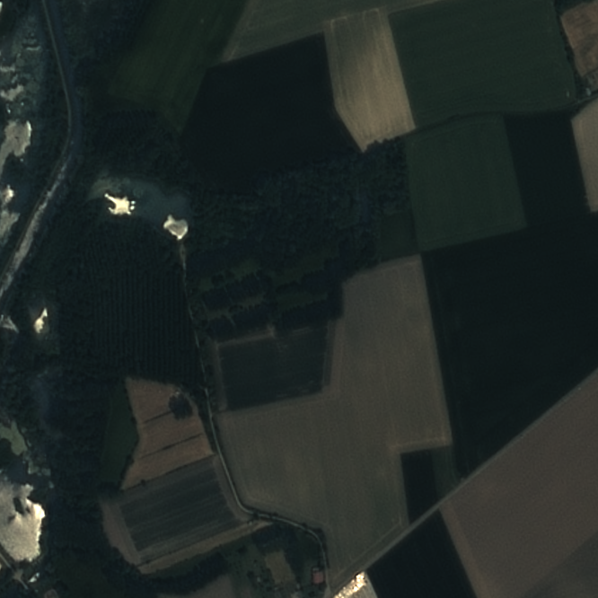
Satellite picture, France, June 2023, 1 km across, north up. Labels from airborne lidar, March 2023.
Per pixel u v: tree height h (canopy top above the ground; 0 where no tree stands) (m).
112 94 0
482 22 0
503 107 0
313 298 0
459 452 0
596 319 0
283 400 0
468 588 0
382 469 0
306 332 0
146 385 0
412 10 0
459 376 0
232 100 0
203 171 0
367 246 29
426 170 0
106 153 10
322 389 0
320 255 0
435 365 0
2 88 0
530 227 0
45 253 8
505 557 0
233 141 0
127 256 9
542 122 0
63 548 22
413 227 0
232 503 0
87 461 35
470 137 0
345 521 0
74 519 39
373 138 0
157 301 21
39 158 9
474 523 0
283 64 0
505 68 0
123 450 0
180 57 0
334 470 0
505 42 0
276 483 0
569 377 0
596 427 0
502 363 0
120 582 31
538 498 0
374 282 0
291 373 0
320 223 19
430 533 0
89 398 35
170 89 0
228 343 0
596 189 0
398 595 0
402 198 22
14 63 0
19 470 0
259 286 25
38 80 0
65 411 34
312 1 0
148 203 0
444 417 0
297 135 0
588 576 0
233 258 33
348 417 0
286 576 0
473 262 0
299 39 0
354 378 0
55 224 11
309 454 0
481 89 0
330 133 0
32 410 12
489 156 0
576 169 0
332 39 0
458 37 0
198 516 0
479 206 0
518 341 0
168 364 22
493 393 0
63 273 14
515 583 0
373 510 0
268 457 0
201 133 0
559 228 0
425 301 0
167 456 0
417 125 0
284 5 0
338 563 0
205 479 0
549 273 0
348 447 0
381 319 0
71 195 12
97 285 17
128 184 0
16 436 0
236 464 0
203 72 0
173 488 0
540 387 0
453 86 0
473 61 0
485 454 0
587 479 0
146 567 0
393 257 0
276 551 0
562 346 0
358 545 0
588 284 0
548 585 0
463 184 0
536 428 0
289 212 20
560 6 14
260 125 0
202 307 6
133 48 0
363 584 0
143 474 0
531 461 0
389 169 11
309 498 0
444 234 0
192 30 0
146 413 0
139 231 9
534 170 0
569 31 0
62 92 16
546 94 0
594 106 0
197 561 0
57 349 6
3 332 13
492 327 0
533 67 0
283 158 0
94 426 23
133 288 22
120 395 0
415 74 0
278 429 0
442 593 0
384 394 0
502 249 0
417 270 0
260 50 0
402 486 0
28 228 0
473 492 0
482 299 0
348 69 0
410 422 0
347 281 0
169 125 0
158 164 17
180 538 0
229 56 0
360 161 26
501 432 0
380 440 0
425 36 0
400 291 0
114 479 0
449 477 0
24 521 0
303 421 0
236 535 0
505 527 0
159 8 0
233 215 8
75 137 0
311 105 0
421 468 0
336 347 0
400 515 0
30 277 10
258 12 0
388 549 0
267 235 37
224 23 0
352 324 0
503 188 0
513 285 0
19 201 0
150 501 0
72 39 7
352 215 31
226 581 0
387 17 0
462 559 0
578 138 0
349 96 0
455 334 0
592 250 0
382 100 0
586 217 0
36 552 0
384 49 0
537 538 0
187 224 0
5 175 0
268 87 0
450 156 0
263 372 0
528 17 0
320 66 0
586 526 0
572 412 0
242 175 0
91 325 12
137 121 15
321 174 14
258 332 0
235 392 0
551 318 0
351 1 0
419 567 0
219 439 0
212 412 0
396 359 0
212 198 10
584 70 0
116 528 0
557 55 0
